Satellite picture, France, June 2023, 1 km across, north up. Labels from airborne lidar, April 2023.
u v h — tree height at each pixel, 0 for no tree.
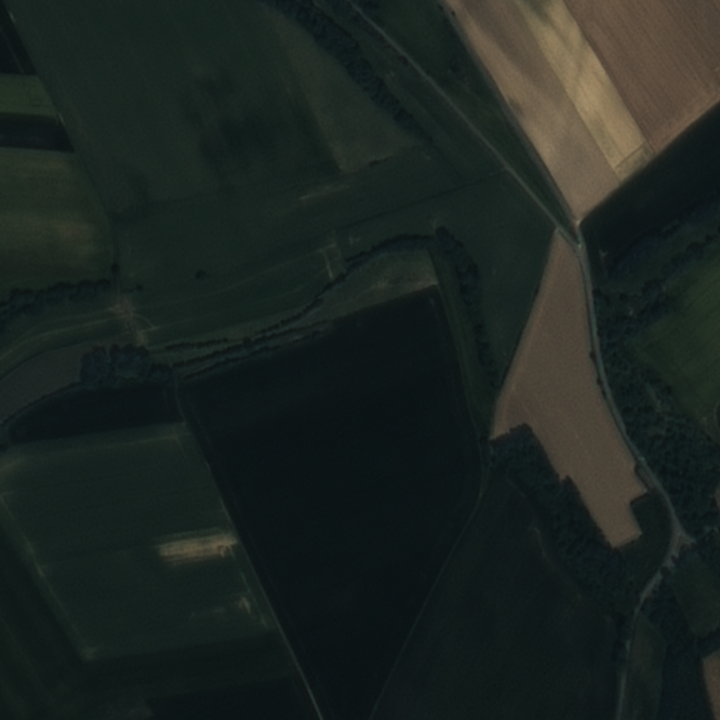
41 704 0
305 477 0
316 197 0
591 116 0
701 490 15
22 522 0
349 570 0
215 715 0
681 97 0
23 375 0
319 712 0
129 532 0
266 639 0
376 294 0
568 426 0
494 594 0
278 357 0
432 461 0
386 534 0
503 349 0
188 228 0
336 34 16
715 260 0
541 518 0
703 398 0
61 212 0
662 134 0
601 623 0
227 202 0
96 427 0
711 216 13
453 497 0
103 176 0
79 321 0
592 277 0
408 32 0
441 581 0
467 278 18
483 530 0
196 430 0
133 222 0
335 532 0
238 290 0
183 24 0
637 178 0
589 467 0
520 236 0
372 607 0
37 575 0
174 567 0
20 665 0
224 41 0
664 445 16
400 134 0
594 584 17
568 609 0
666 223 0
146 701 0
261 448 0
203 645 0
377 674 0
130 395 0
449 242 24
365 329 0
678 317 0
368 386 0
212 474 0
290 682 0
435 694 0
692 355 0
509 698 0
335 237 0
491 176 0
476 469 0
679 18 0
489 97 0
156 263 0
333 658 0
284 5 15
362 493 0
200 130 0
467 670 0
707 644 11
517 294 0
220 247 0
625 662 19
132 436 0
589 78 0
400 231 0
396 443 0
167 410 0
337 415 0
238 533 0
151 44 0
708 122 0
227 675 0
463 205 0
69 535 0
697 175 0
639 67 0
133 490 0
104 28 0
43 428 0
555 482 29
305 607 0
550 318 0
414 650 0
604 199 0
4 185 0
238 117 0
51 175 0
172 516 0
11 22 0
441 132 0
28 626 0
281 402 0
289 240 0
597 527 19
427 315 0
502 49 0
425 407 0
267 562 0
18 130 0
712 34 0
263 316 0
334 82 0
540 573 0
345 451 0
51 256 0
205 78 0
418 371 0
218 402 0
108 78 0
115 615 0
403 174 0
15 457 0
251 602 0
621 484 0
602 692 0
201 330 0
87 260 0
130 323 0
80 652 0
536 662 0
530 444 24
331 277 0
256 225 0
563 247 0
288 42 0
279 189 0
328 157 0
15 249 0
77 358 0
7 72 0
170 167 0
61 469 0
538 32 0
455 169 0
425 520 0
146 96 0
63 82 0
